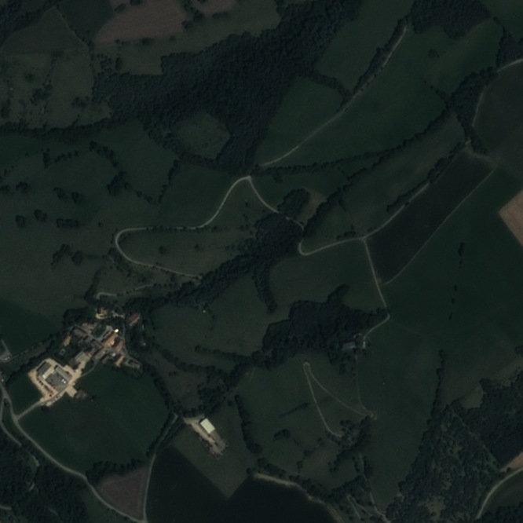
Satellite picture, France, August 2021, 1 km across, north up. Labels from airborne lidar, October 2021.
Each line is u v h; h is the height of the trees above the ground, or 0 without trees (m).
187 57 14
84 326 0
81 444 0
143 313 7
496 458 17
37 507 12
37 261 0
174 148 14
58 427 0
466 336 0
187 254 0
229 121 20
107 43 0
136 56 0
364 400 0
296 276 0
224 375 18
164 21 0
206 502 0
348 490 18
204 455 0
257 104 23
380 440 0
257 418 0
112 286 0
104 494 0
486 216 0
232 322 0
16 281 0
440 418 8
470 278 0
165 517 0
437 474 8
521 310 0
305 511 0
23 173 0
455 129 0
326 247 0
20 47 0
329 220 0
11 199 0
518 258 0
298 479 13
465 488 9
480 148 9
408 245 0
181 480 0
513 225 0
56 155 0
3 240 0
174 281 13
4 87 0
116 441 0
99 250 0
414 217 0
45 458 8
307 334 27
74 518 8
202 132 0
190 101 26
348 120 0
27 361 0
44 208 0
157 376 17
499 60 11
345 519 0
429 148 0
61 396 0
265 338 12
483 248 0
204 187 0
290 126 0
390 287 0
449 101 16
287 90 17
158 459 0
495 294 0
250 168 11
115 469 18
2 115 10
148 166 0
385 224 0
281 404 0
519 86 0
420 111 0
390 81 0
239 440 0
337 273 0
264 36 13
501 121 0
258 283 10
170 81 15
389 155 9
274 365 15
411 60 0
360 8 14
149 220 0
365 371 0
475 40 0
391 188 0
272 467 11
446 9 17
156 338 7
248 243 12
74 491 12
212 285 10
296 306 12
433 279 0
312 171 12
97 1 0
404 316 0
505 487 0
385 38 0
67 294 0
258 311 0
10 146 0
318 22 20
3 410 0
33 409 0
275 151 0
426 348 0
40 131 14
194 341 0
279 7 14
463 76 0
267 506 0
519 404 8
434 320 0
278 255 19
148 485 0
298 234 17
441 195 0
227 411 0
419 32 14
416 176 0
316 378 0
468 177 0
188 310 0
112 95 9
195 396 0
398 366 0
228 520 0
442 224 0
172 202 0
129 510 0
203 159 13
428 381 0
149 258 0
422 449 11
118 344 0
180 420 8
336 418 0
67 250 13
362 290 0
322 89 0
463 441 6
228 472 0
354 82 0
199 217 0
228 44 13
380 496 0
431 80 0
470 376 0
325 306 11
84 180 0
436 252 0
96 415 0
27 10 0
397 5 0
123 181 13
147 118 19
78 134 25
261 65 26
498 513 11
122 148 0
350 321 30
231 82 23
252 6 0
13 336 0
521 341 0
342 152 0
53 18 0
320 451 0
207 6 0
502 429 17
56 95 0
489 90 0
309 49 17
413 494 12
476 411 10
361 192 0
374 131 0
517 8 0
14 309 0
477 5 15
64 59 0
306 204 13
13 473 8
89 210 0
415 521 8
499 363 0
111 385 0
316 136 0
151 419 0
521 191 0
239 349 0
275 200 0
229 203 0
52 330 0
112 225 0
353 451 12
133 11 0
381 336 0
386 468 0
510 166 0
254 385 0
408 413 0
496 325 0
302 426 0
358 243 0
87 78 0
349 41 0
